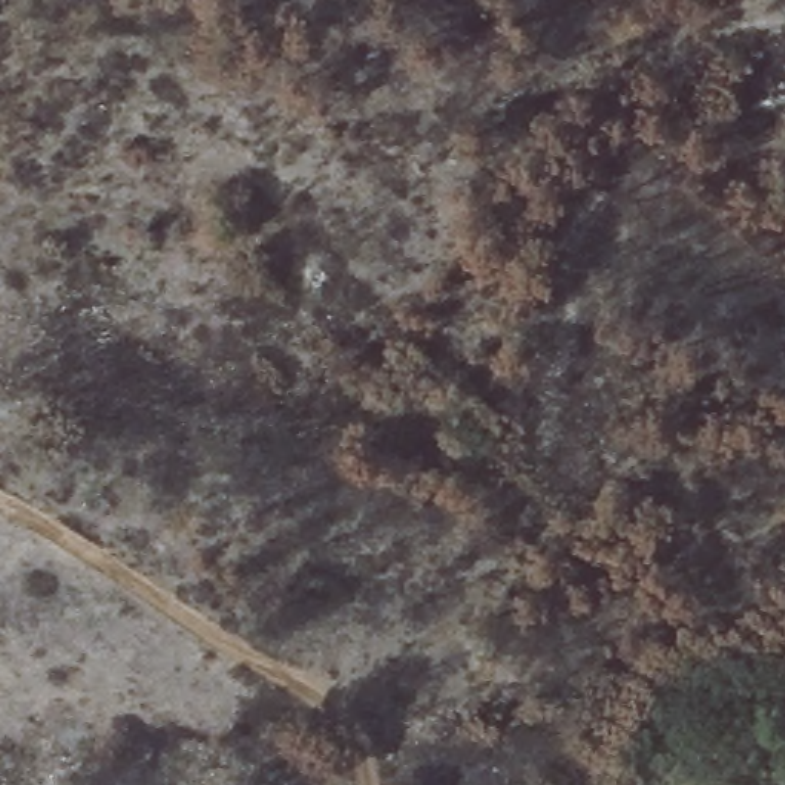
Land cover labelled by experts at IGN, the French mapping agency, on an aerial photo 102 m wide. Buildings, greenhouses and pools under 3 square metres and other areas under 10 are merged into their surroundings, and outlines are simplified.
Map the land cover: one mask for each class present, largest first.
<instances>
[{"label":"bare soil","instance_id":"1","mask_svg":"<svg viewBox=\"0 0 785 785\"><path fill-rule=\"evenodd\" d=\"M117 0H0V785H592L589 773L564 754L561 736L549 721L524 724L515 714L524 699L570 708V699H583L576 681L586 675V668L604 675H626L629 668V662L619 659V619L610 610H601L598 580H604L610 570L576 558L561 537H552L546 530L549 518H592L595 500L604 484H616L613 512L622 515L629 524H635V509L641 506V500L668 506L672 543H659L653 549V558L659 564L656 583L665 592L678 595L681 604L690 610L696 638H705L711 626L721 629V635L730 632L733 622L742 619L745 613L739 610V601L745 595V586L739 570L733 567V558L727 555V540L718 534V518L727 512L773 515L785 509V469L748 460L736 472L727 466L724 475L708 478L705 469H696V491H684L681 475L675 469H653L647 478H635L610 472L604 454L616 429L635 420H653L665 445L678 435H696L705 426L708 414H754L760 386H776V399H785V273H779L776 264L754 261L742 245L733 242L727 227L714 218L718 205H711V199L702 193L699 172H687L681 159H675L662 147H647L632 156V169L622 175L616 190L592 193L589 202L576 199L567 227L552 239L558 251L561 291H549V301H524L518 310V359L530 368V380H497L488 368L469 365L460 350H454L448 325L463 310L460 285H466L469 279V273H463V267L454 261L457 245L469 242L472 175L478 172L475 141L481 138L484 144H491V138L503 135L512 144H518L530 135V123L540 113H549V107L564 101L567 95H583L586 86L592 89L595 77L613 74V67L626 61V40L641 37L644 31L638 21L616 25L610 37L595 43V49H589L580 58L561 61L546 55L537 64H527L521 52L524 34L509 21L497 25V31L488 40L472 46L469 52L451 55V46L432 43L438 37V25L423 21L420 9L411 0H377L371 6V18L353 28V40L380 43L393 49L396 61L389 67V83L374 89L368 98L331 92L334 107L319 117L316 101L301 98L294 92H248L242 86H227L221 80L212 83L193 61V52L187 46L190 28L196 25L193 12L126 18L113 15ZM230 175H239L248 190V202L239 209L245 215V227L264 239V245H258V264L264 267V285L258 297L227 294V264L236 255L218 239L221 209L212 199L218 193V184ZM632 325L662 328L665 340L690 353V389L653 399V386L647 380V374L656 368L653 362L629 365L626 356L601 350L610 337L629 334ZM393 340L414 343L457 386L460 396H475L494 414L518 417L524 435L500 429L497 435H488L484 457H448L435 442L438 429L429 411L386 417L365 408V386L383 362V350ZM350 423L365 426L362 445L374 442L380 454L393 457L396 463H408L414 472L454 478L457 491L463 497L478 500L484 509L469 515L457 512L451 518L432 500L411 503L389 491L350 484L347 478H340L334 466V442L340 438V429ZM297 711L319 714L331 724L347 727L353 739V760L359 764L347 779L331 770L301 773L279 754L273 736L285 733L288 721ZM745 31L721 37V52H736L739 64H751V77H742L736 83L733 95L739 101V113L736 120L714 126V144L736 156H748L754 166H760L767 153H785V0H745L739 18Z\"/></svg>","mask_w":785,"mask_h":785},{"label":"coniferous trees","instance_id":"2","mask_svg":"<svg viewBox=\"0 0 785 785\"><path fill-rule=\"evenodd\" d=\"M377 0H117L113 15L126 18L193 12L196 25L190 28L187 46L193 52V61L212 83L221 80L227 86H242L248 92H294L301 98L316 101L319 117L334 107L331 92L368 98L374 89L389 83V67L396 61L393 49L380 43L353 40V28L371 18V6ZM420 9L423 21L438 25V37L432 43L451 46V55L469 52L472 46L488 40L497 31V25L509 21L524 34L521 52L527 64H537L546 55L561 61L580 58L589 49H595V43L610 37L616 25L638 21L644 31L641 37L626 40V61L613 67V74L595 77L592 89L586 86L583 95H567L564 101L549 107V113H540L530 123V135L518 144H512L503 135L491 138V144H484L481 138L475 141L478 172L472 175L469 242L457 245L454 261L463 267V273H469V279L466 285H460L463 310L448 325L454 350H460L469 365L488 368L497 380H530V368L518 359V310L524 301H549V291H561L558 251L552 239L567 227L576 199L589 202L592 193L616 190L622 175L632 169V156L647 147H662L675 159H681L687 172H699L702 193L711 199V205H718L714 218L727 227L733 242L742 245L754 261L776 264L779 273H785V153H767L760 166H754L748 156H736L714 144V126L736 120L739 113V101L733 95L736 83L742 77H751V64H739L736 52H721V37L745 31L739 18L745 0H411ZM221 209L218 239L236 255L227 264V294L258 297L264 285V267L258 264V245H264V239L245 227V215L239 209L248 202V190L239 175H230L218 184V193L212 199ZM601 350L626 356L629 365L653 362L656 368L647 374V380L653 386V399L690 389V353L665 340L662 328L632 325L629 334L610 337ZM365 408L386 417L429 411L438 429L435 442L448 457H484L488 435H497L500 429L524 435L518 417L494 414L475 396H460L457 386L414 343L393 340L383 350V362L365 386ZM748 460L785 469V399H776V386H760L754 414H708L705 426L696 435H678L665 445L653 420H635L616 429L604 454L610 472L635 478H647L653 469H675L681 475L684 491H696V469H705L708 478L724 475L727 466L736 472ZM365 426L350 423L340 429V438L334 442V466L340 478H347L350 484L389 491L411 503L432 500L451 518L457 512L469 515L484 509L478 500L463 497L457 491L454 478L414 472L408 463H396L393 457L380 454L374 442L362 445ZM616 484H604L595 500L592 518H549L546 530L552 537H561L576 558L610 570L604 580H598L601 610H610L619 619V659L629 662V668L626 675H604L586 668V675L576 681L583 699H570V708L524 699L515 714L524 724L549 721L561 736L564 754L589 773L592 785H644L635 767L619 764V751L629 748L638 721L650 718V690L672 681V675H684L687 659L693 656L714 659L724 647L754 653V644L730 632L721 635V629L711 626L705 638H696L690 610L681 604L678 595L665 592L656 583L659 564L653 558V549L659 543H672L668 506L641 500V506L635 509V524H629L622 515L613 512ZM718 534L727 540V555L733 558V567L739 570L745 586V595L739 601V610L745 613L742 619L751 632L764 638L767 653H776V644H785V509L773 515L727 512L718 518ZM279 754L301 773L331 770L347 779L359 764L353 760V739L347 727L331 724L319 714L297 711L288 721L285 733L273 736Z\"/></svg>","mask_w":785,"mask_h":785},{"label":"brushwood","instance_id":"3","mask_svg":"<svg viewBox=\"0 0 785 785\"><path fill-rule=\"evenodd\" d=\"M730 632L754 644V653L724 647L714 659L693 656L687 659L684 675H672V681L650 690V718L638 721L629 748L619 751V764L635 767L644 785H785V644H776V653H767L764 638L751 632L742 619L733 622Z\"/></svg>","mask_w":785,"mask_h":785}]
</instances>
